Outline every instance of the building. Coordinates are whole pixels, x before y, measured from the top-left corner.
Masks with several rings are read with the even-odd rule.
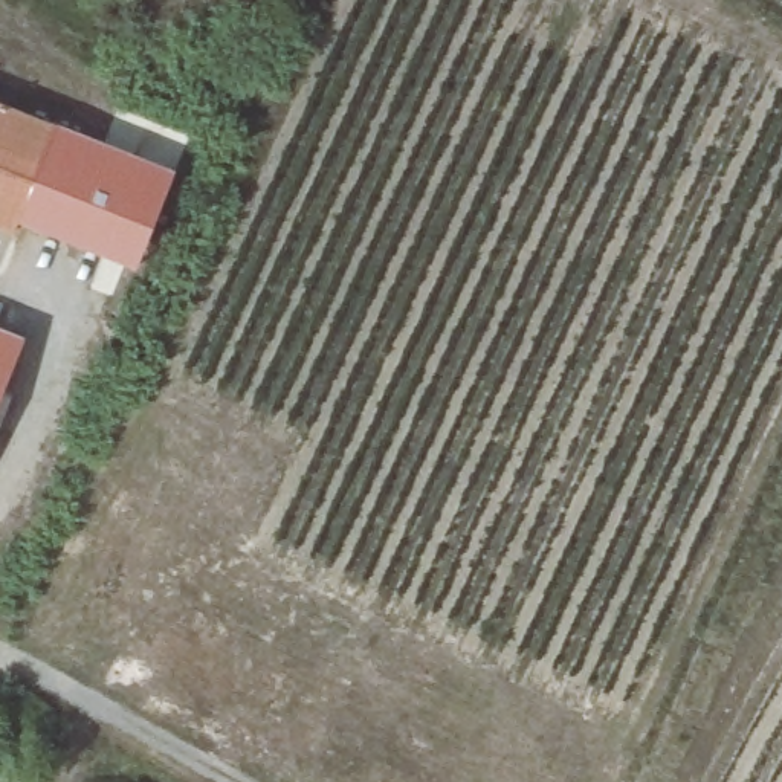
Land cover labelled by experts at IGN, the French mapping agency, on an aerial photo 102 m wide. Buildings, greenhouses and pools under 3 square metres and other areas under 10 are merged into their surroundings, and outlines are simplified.
[[[61,244],[79,247],[79,254],[98,263],[119,263],[122,278],[134,275],[144,263],[150,235],[156,229],[165,196],[174,180],[171,168],[147,162],[104,141],[0,104],[0,229],[15,232],[18,226],[24,226],[31,232],[52,235]]]
[[[21,336],[0,327],[0,406],[15,360],[21,354]]]

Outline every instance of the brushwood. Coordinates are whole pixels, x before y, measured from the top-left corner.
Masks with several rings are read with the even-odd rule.
[[[122,278],[116,290],[122,296],[122,315],[113,324],[113,339],[98,342],[86,345],[86,373],[73,376],[70,382],[67,403],[58,415],[58,431],[67,440],[67,452],[55,461],[55,480],[37,492],[34,495],[31,522],[12,532],[9,550],[0,559],[0,608],[24,611],[31,599],[49,593],[64,544],[86,528],[95,510],[98,464],[119,452],[119,440],[110,437],[113,425],[125,425],[131,409],[159,400],[162,388],[168,385],[171,357],[177,351],[177,342],[186,336],[189,312],[196,309],[192,293],[208,293],[217,266],[226,257],[235,226],[247,214],[247,202],[260,180],[260,168],[269,156],[278,125],[269,119],[266,104],[281,101],[290,107],[299,82],[305,79],[309,61],[318,55],[318,46],[302,40],[299,12],[290,0],[220,0],[211,9],[211,18],[199,18],[199,27],[186,24],[183,31],[177,31],[165,21],[165,34],[141,37],[131,21],[131,12],[141,6],[137,0],[21,0],[58,49],[70,52],[79,64],[92,67],[92,79],[101,86],[104,95],[104,104],[98,110],[110,113],[113,119],[125,119],[125,113],[131,110],[177,131],[186,131],[183,153],[171,168],[174,180],[165,196],[156,229],[150,235],[144,263],[134,275]]]

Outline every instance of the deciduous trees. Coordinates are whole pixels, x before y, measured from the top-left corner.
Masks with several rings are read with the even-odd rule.
[[[46,718],[46,709],[52,712],[64,703],[58,693],[46,690],[37,681],[37,675],[27,666],[12,663],[0,669],[0,782],[55,782],[55,751],[40,739],[37,724]]]

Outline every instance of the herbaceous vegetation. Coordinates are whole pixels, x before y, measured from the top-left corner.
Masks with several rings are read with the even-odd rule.
[[[122,315],[122,296],[116,290],[104,299],[104,318],[95,330],[98,342],[113,339],[113,324]]]
[[[220,0],[137,0],[141,6],[131,12],[131,21],[141,37],[165,34],[165,21],[177,31],[183,31],[186,24],[199,27],[199,18],[211,18],[211,9]]]
[[[21,0],[0,0],[0,104],[104,141],[113,119],[110,113],[98,110],[104,104],[104,95],[101,86],[92,79],[92,67],[79,64],[70,52],[58,49]]]
[[[577,64],[590,46],[608,43],[611,27],[620,15],[648,21],[654,31],[675,31],[696,46],[700,34],[712,34],[712,40],[724,46],[724,55],[736,55],[748,67],[764,67],[767,61],[782,64],[782,0],[583,0],[577,6],[580,24],[568,37],[568,58]]]
[[[415,617],[391,614],[388,596],[370,590],[367,583],[348,583],[345,568],[351,562],[351,550],[345,547],[333,565],[312,556],[330,507],[318,507],[302,547],[287,547],[275,538],[299,489],[299,480],[330,425],[333,409],[321,403],[318,422],[309,428],[299,422],[290,425],[290,418],[281,412],[269,415],[244,397],[238,400],[229,388],[196,391],[192,385],[202,376],[186,373],[189,354],[177,351],[171,357],[168,385],[162,388],[159,400],[131,409],[125,425],[113,425],[110,437],[119,440],[119,452],[98,464],[95,510],[86,528],[64,544],[49,593],[31,599],[24,611],[0,608],[0,638],[15,645],[18,651],[46,660],[52,669],[119,703],[131,715],[174,733],[177,739],[202,751],[229,761],[257,782],[730,782],[751,733],[764,721],[770,703],[782,687],[782,357],[727,467],[718,498],[700,525],[687,562],[654,623],[645,654],[635,666],[632,684],[626,687],[623,709],[608,712],[602,721],[583,721],[580,712],[562,709],[556,703],[556,693],[547,693],[544,684],[522,687],[522,675],[535,663],[535,657],[522,648],[516,654],[513,669],[473,672],[452,657],[449,645],[437,635],[431,641],[412,641],[403,635],[400,645],[391,645],[394,626],[425,629],[425,617],[431,611],[415,602]]]
[[[21,495],[9,516],[0,522],[0,559],[9,550],[12,532],[31,522],[34,495]]]
[[[64,703],[52,712],[46,709],[46,718],[37,724],[40,739],[55,751],[55,782],[211,782],[165,755],[150,755],[144,742]]]
[[[34,477],[37,492],[55,480],[55,461],[67,452],[67,440],[58,431],[40,443],[43,458]]]

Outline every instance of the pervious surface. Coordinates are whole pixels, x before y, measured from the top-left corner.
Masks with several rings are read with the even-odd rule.
[[[174,733],[131,715],[119,703],[52,669],[46,660],[18,651],[15,645],[0,638],[0,669],[12,663],[27,666],[37,675],[37,681],[46,690],[58,693],[64,703],[144,742],[150,755],[165,755],[211,782],[257,782],[229,761],[202,751],[177,739]]]

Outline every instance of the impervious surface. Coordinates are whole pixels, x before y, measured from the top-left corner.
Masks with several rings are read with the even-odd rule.
[[[43,458],[40,443],[58,431],[58,415],[67,403],[70,382],[73,376],[86,373],[86,345],[98,342],[95,330],[104,318],[104,299],[116,290],[122,278],[119,263],[98,263],[79,254],[79,247],[61,244],[52,235],[31,232],[24,226],[18,226],[15,232],[0,229],[0,327],[21,336],[21,354],[15,360],[0,406],[0,522],[9,516],[21,495],[34,495],[37,492],[34,477]]]
[[[186,131],[177,131],[131,110],[125,113],[125,119],[113,119],[104,141],[147,162],[171,168],[183,153]]]

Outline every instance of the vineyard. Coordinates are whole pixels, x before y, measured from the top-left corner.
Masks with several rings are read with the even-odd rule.
[[[580,712],[583,721],[602,721],[608,712],[623,709],[626,687],[632,684],[635,666],[645,654],[654,623],[687,562],[700,525],[718,498],[727,467],[782,357],[782,64],[767,61],[764,67],[748,67],[736,55],[724,55],[724,46],[712,40],[712,34],[700,34],[696,46],[675,31],[654,31],[648,21],[620,15],[611,27],[608,43],[590,46],[577,64],[568,58],[568,37],[580,24],[577,6],[583,0],[290,0],[299,12],[302,40],[318,46],[318,55],[309,61],[305,79],[299,82],[290,107],[281,101],[266,104],[269,119],[278,125],[269,156],[260,168],[260,180],[247,202],[247,214],[235,226],[226,257],[217,266],[208,293],[192,293],[196,309],[189,312],[186,336],[177,342],[177,351],[189,354],[186,373],[202,376],[192,385],[196,391],[229,388],[238,400],[244,397],[269,415],[281,412],[290,418],[290,425],[299,422],[309,428],[318,422],[321,403],[333,409],[330,425],[299,480],[299,489],[275,538],[287,547],[302,547],[318,507],[330,507],[312,556],[333,565],[345,547],[351,550],[351,562],[345,568],[348,583],[367,583],[370,590],[388,596],[391,614],[415,617],[415,602],[431,611],[425,617],[425,629],[394,626],[391,645],[400,645],[403,635],[412,641],[431,641],[437,635],[449,645],[452,657],[473,672],[513,669],[516,654],[522,648],[535,657],[535,663],[522,675],[522,687],[544,684],[547,693],[556,693],[556,703],[562,709]]]
[[[770,703],[764,721],[751,733],[730,782],[782,782],[782,687]]]

